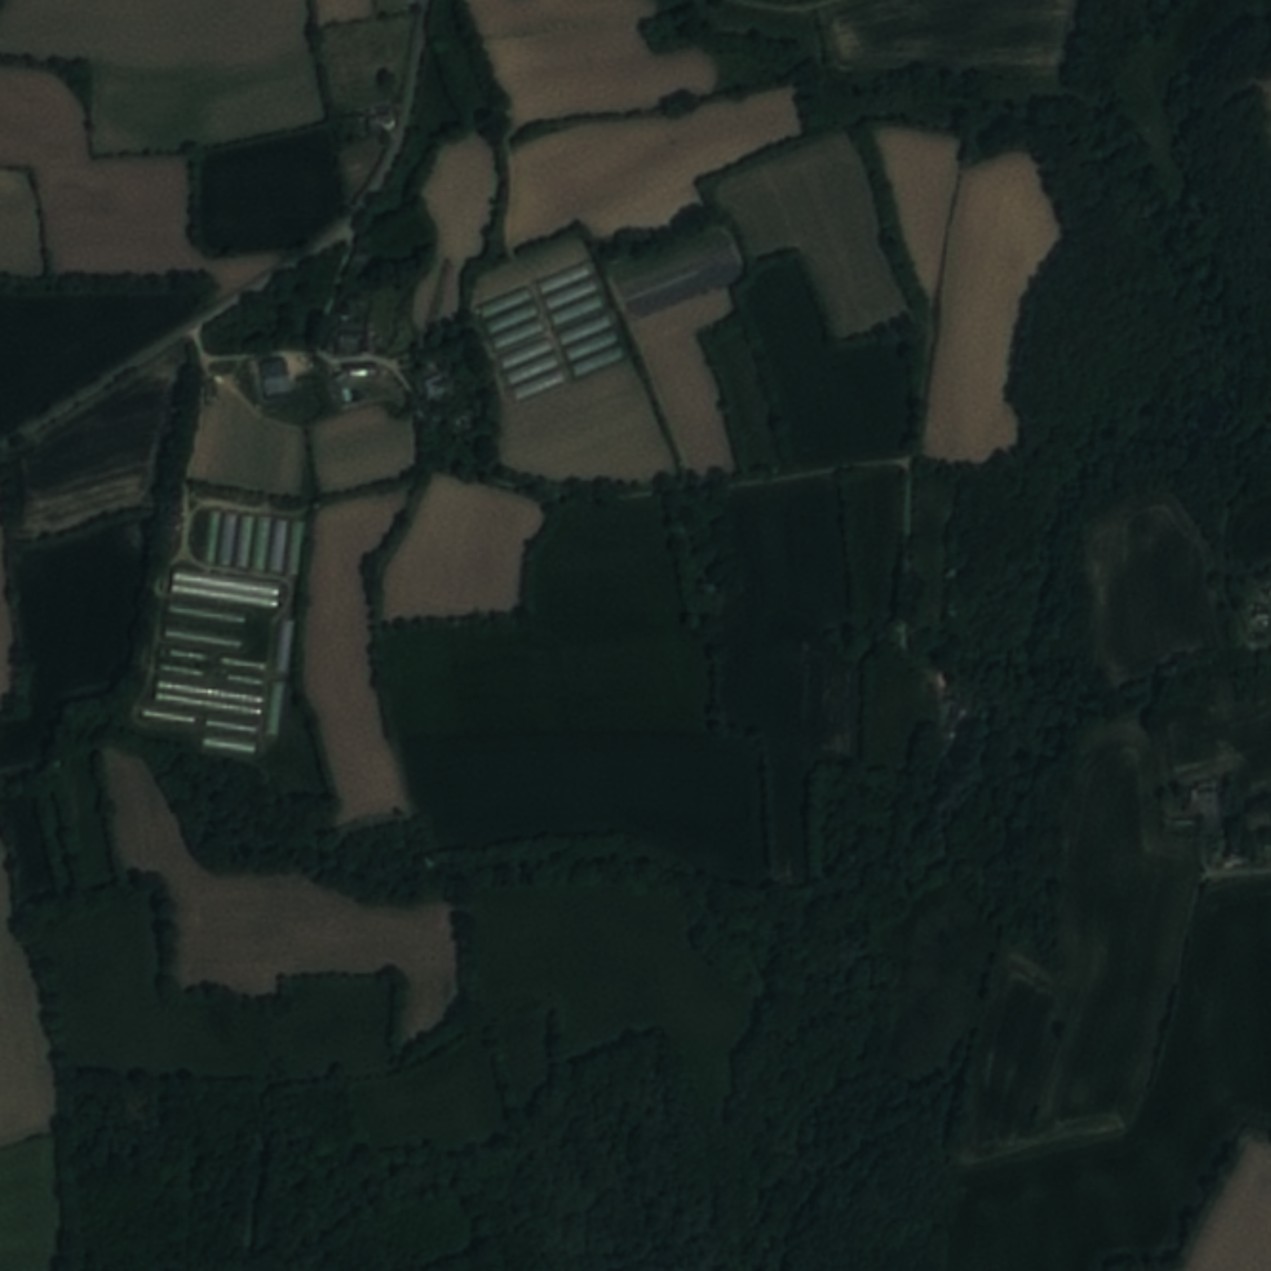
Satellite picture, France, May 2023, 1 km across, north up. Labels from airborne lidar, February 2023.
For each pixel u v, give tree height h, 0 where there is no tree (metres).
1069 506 15
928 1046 0
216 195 0
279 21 0
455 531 0
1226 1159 11
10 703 14
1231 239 14
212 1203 11
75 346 0
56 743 12
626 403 0
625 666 0
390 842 9
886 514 0
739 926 10
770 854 9
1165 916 0
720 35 8
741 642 0
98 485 0
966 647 10
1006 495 12
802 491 0
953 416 0
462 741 0
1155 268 24
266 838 17
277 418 0
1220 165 14
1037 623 9
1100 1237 0
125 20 0
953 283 0
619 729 0
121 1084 13
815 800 10
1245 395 23
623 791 0
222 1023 0
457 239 0
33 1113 0
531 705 0
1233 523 0
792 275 0
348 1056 0
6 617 0
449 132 15
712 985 0
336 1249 14
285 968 0
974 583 22
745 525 0
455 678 0
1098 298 17
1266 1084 0
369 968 0
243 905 0
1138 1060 0
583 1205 6
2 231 0
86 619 0
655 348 0
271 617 0
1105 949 0
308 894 0
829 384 0
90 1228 10
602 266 9
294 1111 12
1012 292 0
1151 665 0
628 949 0
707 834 0
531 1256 13
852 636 17
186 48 0
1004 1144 0
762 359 10
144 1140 9
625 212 0
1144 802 0
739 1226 19
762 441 0
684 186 0
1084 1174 0
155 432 0
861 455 0
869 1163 20
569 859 9
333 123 6
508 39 0
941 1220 19
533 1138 13
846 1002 16
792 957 19
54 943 0
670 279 0
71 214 0
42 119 0
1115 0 21
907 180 0
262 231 0
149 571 17
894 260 10
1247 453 17
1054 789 20
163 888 9
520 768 0
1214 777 0
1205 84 23
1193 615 0
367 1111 0
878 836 16
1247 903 0
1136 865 0
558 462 0
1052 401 11
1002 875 10
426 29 7
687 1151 24
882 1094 14
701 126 0
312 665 0
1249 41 21
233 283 0
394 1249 6
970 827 16
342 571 0
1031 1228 0
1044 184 17
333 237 0
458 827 0
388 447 0
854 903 20
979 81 16
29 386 0
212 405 0
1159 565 0
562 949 0
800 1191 18
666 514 9
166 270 0
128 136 0
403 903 11
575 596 0
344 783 0
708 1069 0
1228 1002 0
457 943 13
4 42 0
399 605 0
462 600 0
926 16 0
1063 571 21
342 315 13
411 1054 13
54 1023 15
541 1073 0
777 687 0
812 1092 15
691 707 0
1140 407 15
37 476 0
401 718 0
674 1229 13
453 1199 7
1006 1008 0
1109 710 22
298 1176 13
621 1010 0
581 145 0
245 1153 15
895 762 0
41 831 8
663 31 9
